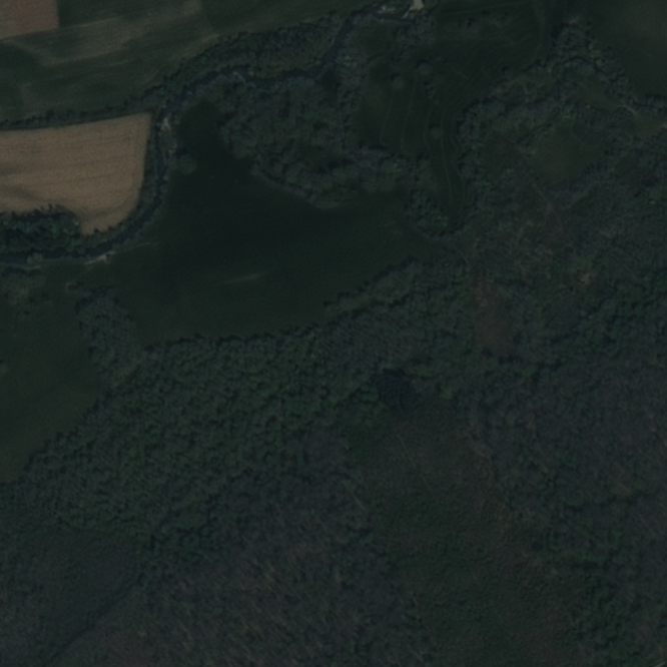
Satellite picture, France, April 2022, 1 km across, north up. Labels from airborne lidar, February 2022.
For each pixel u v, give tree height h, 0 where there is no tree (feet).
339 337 77
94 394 0
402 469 32
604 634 78
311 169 77
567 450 91
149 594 57
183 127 0
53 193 0
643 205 48
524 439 96
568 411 108
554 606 20
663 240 49
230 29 0
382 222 0
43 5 0
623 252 89
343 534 81
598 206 49
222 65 68
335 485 102
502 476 90
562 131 0
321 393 73
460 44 0
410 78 0
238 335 0
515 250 22
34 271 0
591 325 87
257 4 0
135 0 0
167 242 0
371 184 71
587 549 93
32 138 0
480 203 49
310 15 0
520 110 68
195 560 82
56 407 0
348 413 99
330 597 109
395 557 38
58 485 96
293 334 55
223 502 66
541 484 93
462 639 39
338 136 52
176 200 0
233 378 68
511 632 31
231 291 0
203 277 0
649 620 103
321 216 0
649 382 93
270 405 47
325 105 70
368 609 106
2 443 0
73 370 0
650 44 0
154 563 76
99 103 0
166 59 0
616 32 0
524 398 87
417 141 0
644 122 0
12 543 64
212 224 0
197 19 0
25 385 0
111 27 0
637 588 102
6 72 0
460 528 21
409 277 76
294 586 108
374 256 0
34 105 0
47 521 61
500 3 0
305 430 85
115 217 0
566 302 30
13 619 86
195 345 36
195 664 95
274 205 0
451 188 0
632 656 86
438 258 41
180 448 90
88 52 0
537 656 30
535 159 0
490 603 37
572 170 0
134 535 68
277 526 98
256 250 0
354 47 21
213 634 96
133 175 0
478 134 77
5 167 0
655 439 96
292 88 82
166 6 0
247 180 0
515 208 63
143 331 0
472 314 75
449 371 78
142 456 78
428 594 33
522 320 76
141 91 0
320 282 0
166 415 81
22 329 0
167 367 67
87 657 0
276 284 0
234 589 112
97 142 0
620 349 78
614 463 97
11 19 0
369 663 91
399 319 73
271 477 73
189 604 97
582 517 86
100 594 64
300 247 0
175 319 0
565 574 88
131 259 0
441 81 0
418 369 55
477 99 0
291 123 86
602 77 62
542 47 0
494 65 0
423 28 65
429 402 20
